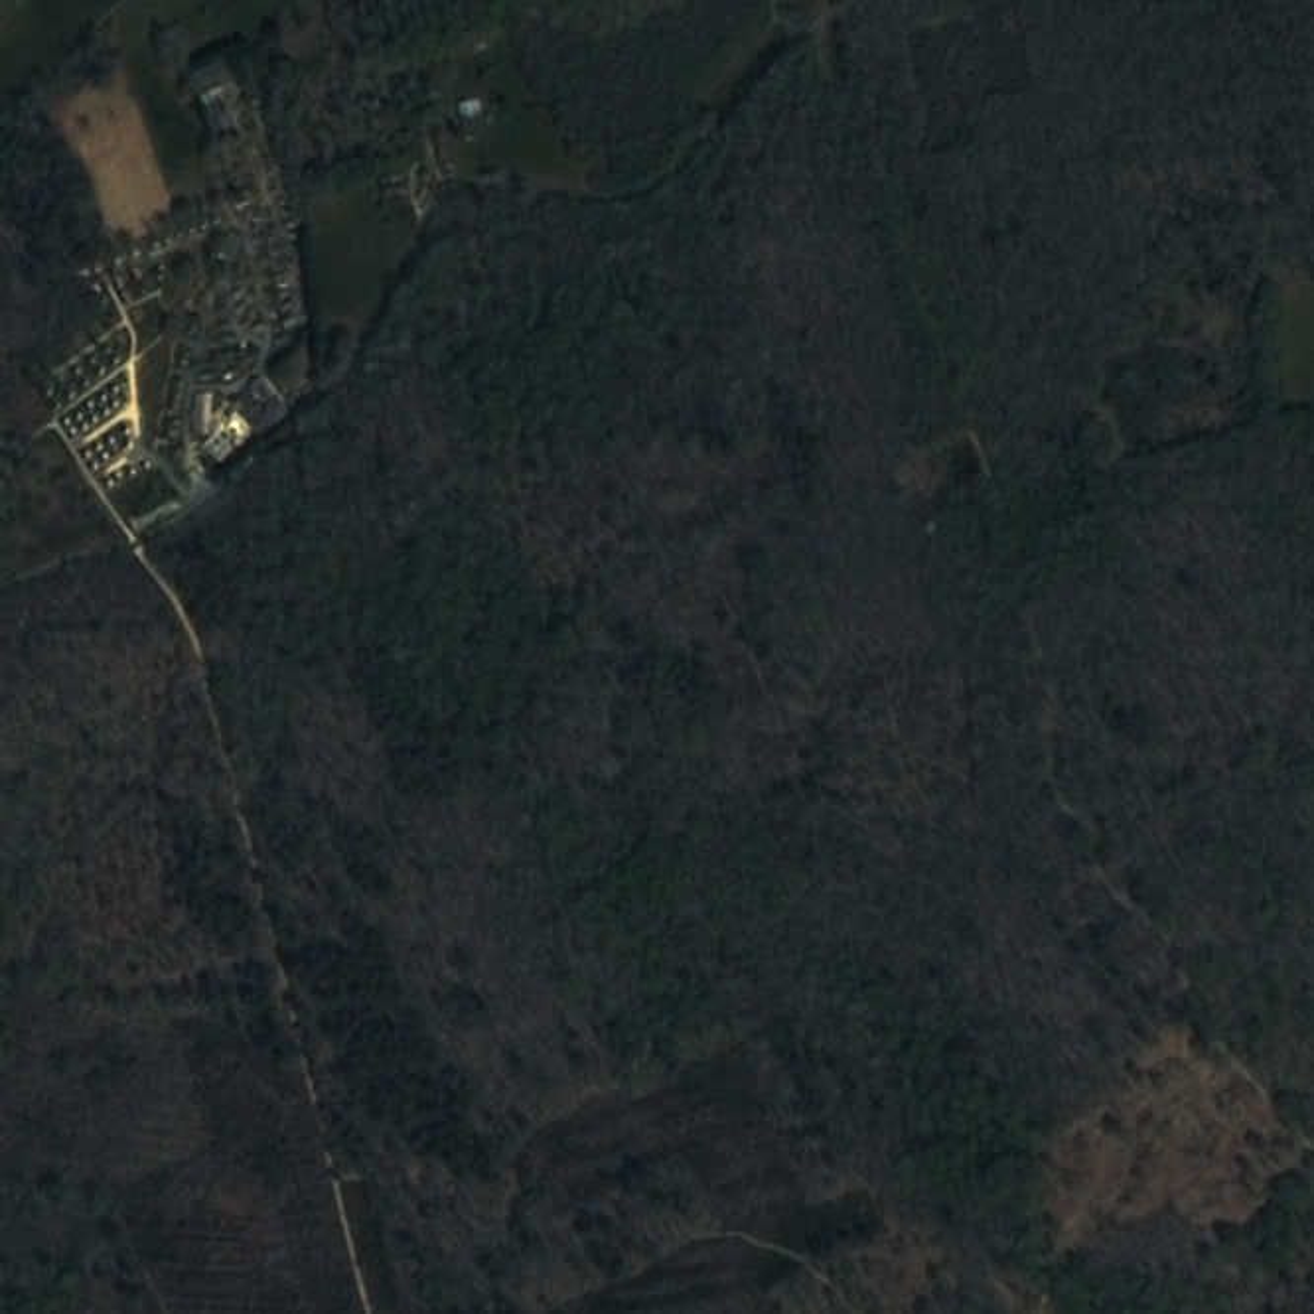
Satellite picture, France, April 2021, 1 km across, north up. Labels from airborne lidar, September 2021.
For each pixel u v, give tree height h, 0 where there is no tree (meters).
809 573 21
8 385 14
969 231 14
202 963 23
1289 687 18
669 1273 6
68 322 13
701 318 19
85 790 10
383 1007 32
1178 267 15
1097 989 0
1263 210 10
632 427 0
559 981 23
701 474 13
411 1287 14
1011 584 20
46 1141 7
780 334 17
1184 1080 19
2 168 26
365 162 16
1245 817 22
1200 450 16
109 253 17
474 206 15
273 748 24
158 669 14
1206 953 20
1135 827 19
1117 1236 13
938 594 18
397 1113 30
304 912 15
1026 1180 23
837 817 15
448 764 23
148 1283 8
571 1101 15
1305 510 19
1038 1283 20
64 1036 9
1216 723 21
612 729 17
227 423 0
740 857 22
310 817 19
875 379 18
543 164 0
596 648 19
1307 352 0
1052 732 15
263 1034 16
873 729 14
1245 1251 18
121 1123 8
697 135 16
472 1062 21
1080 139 15
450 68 13
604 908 26
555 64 15
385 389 18
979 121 15
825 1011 14
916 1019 17
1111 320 18
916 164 17
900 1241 5
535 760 20
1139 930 20
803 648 23
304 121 17
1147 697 24
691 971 19
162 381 0
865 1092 19
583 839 23
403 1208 18
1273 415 17
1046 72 13
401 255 0
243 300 25
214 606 28
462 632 30
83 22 0
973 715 15
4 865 18
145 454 0
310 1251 6
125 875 15
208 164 19
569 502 10
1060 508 17
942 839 17
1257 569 16
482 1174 25
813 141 22
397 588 18
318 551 29
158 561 16
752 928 24
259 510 27
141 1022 10
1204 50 19
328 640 24
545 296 21
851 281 16
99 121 0
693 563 17
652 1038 25
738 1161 9
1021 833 18
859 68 20
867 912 19
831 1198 14
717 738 23
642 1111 5
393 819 17
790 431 28
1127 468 17
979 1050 0
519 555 18
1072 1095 17
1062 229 15
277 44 9
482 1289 16
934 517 17
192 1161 8
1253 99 20
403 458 18
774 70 16
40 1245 15
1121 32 17
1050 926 21
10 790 18
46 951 20
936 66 9
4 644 11
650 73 12
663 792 19
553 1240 13
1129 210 16
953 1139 20
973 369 19
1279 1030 19
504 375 0
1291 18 22
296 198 18
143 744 19
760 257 22
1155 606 19
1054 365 17
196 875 33
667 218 22
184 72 20
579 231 18
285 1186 8
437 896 19
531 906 18
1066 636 23
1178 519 21
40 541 13
